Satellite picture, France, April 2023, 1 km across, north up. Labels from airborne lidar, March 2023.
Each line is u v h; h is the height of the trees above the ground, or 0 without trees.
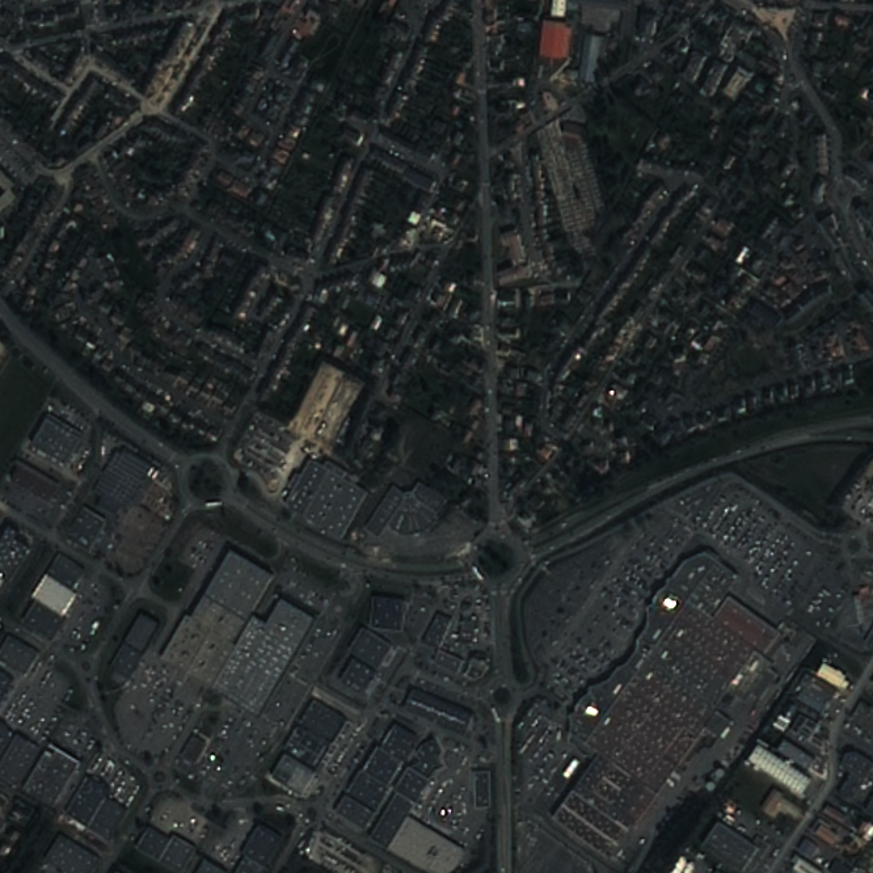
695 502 0
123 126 0
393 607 0
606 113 8
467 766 0
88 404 0
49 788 0
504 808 0
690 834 7
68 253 9
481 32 0
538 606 0
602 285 7
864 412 0
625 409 7
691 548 0
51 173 0
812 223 0
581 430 0
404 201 15
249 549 0
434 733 0
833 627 0
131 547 0
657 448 10
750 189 12
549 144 0
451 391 13
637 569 0
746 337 10
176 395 0
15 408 0
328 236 0
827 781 0
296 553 0
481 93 0
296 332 0
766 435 0
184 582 0
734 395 0
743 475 0
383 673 0
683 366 0
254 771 0
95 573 0
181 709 0
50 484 0
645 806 0
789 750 0
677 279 0
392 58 0
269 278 0
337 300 12
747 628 0
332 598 0
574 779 0
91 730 0
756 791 0
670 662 0
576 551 0
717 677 0
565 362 0
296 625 0
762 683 0
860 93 0
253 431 0
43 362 0
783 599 0
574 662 0
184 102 0
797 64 0
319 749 0
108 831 0
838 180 0
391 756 0
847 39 10
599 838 0
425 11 0
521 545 0
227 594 0
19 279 0
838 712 0
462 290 6
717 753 0
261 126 0
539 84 0
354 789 0
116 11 7
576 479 8
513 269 0
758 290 0
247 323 0
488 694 0
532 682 0
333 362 6
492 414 0
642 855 0
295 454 0
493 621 0
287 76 0
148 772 0
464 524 0
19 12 0
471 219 10
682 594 0
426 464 0
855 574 0
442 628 0
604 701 0
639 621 0
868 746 0
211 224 0
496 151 0
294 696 0
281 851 0
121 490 0
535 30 11
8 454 0
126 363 0
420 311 0
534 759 0
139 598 0
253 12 0
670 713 0
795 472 0
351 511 0
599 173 7
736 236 7
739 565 0
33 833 13
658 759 0
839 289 0
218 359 0
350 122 0
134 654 0
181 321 0
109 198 0
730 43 0
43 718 0
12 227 6
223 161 0
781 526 0
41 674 0
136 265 0
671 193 0
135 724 0
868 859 0
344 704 0
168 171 7
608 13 0
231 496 0
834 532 0
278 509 0
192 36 0
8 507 0
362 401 9
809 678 0
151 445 0
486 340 0
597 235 13
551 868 0
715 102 7
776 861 0
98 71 0
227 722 0
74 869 0
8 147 0
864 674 0
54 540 0
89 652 0
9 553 0
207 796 0
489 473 0
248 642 0
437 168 0
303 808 0
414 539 0
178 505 11
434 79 7
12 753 0
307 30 0
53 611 0
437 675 0
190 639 0
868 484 0
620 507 0
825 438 0
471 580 0
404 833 0
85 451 0
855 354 0
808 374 0
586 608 0
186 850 0
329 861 0
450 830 0
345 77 7
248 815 0
